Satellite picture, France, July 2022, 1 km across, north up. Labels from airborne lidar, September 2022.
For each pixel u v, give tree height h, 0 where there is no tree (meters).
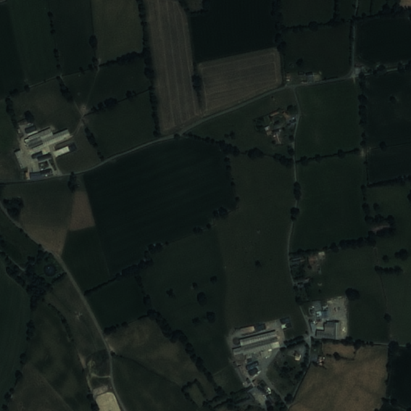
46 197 0
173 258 0
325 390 0
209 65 0
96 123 0
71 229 0
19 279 16
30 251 0
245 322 0
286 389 0
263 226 0
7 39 0
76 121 0
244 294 0
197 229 12
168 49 0
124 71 0
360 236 0
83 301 0
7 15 0
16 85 0
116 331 14
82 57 0
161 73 0
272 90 0
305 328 0
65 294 0
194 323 14
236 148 14
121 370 0
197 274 0
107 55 0
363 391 0
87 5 0
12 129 0
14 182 0
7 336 0
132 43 0
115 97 0
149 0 0
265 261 0
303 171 0
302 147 0
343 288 0
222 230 0
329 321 0
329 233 0
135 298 0
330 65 0
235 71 0
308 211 0
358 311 0
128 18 0
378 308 0
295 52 0
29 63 0
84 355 0
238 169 0
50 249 0
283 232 0
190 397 15
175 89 0
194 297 0
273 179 0
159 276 0
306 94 0
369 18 8
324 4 0
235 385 0
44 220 0
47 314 0
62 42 0
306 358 9
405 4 0
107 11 0
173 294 21
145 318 9
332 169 0
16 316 0
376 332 0
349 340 13
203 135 0
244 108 0
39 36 0
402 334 0
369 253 0
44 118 0
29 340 12
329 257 0
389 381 7
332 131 0
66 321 19
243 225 0
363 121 11
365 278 0
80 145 0
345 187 0
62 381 0
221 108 0
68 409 0
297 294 7
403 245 0
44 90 0
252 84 0
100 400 0
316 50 0
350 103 0
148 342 0
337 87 0
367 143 15
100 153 10
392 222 18
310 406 0
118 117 0
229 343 0
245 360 0
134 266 12
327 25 8
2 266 0
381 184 12
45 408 0
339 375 0
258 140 0
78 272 0
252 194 0
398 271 21
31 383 0
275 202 0
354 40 12
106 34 0
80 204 0
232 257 0
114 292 0
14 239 0
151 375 0
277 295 0
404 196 0
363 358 0
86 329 0
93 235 0
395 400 12
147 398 0
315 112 0
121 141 0
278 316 0
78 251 0
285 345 8
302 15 0
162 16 0
